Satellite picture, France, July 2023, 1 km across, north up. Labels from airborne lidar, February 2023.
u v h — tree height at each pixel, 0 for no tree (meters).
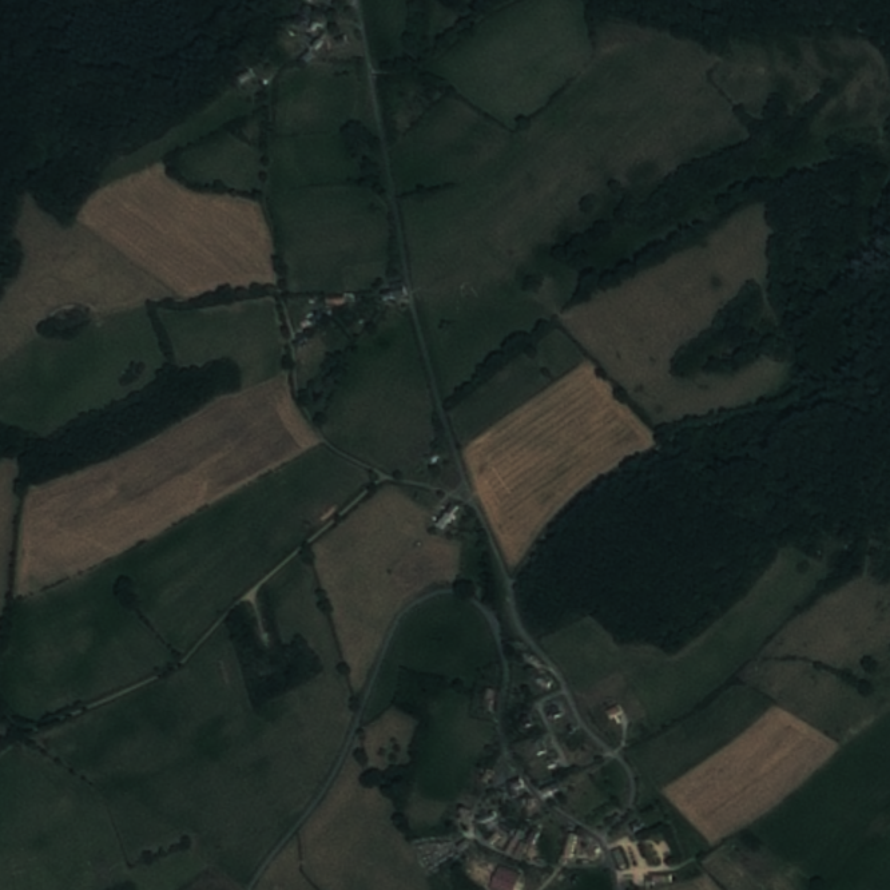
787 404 8
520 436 0
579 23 0
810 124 15
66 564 0
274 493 0
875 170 17
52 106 20
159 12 26
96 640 0
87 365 0
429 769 0
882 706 0
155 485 0
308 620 0
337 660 0
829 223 13
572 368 0
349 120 0
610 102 0
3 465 0
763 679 0
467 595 20
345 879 0
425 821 0
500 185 0
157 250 0
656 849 0
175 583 0
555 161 0
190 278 0
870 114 0
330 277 0
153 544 0
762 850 0
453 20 0
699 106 0
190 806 0
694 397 0
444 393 0
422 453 0
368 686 0
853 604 0
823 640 0
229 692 0
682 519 19
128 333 0
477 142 0
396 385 0
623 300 0
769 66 0
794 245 11
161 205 0
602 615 13
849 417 22
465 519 7
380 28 0
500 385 0
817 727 0
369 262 0
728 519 16
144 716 0
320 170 0
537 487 0
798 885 0
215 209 0
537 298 0
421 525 0
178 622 0
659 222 10
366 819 0
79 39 24
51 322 9
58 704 0
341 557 0
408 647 0
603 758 7
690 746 0
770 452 22
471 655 0
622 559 14
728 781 0
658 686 0
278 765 0
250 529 0
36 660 0
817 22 13
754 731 0
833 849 0
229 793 0
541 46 0
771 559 14
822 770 0
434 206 0
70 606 0
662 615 13
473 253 0
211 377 6
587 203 14
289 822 0
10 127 21
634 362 0
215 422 0
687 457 15
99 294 0
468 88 0
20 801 0
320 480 0
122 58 27
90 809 0
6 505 0
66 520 0
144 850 0
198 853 0
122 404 5
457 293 0
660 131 0
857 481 16
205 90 14
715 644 0
